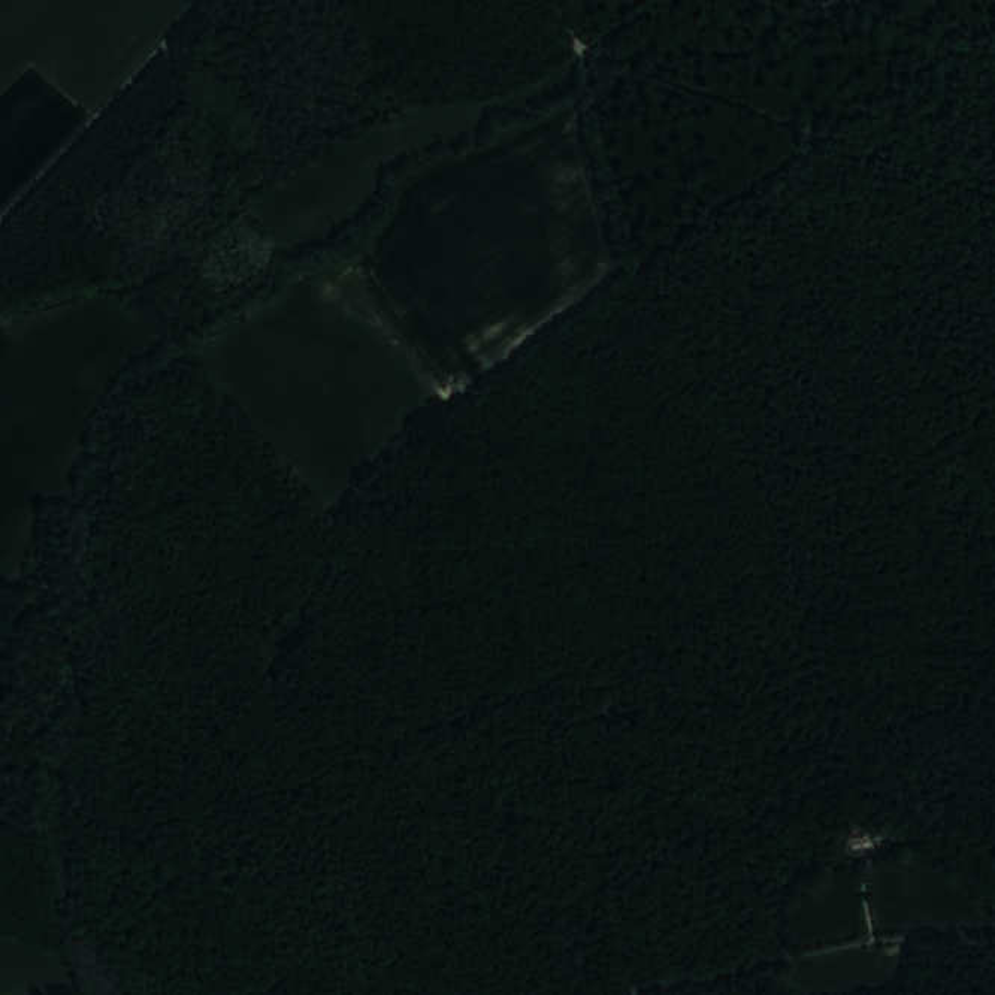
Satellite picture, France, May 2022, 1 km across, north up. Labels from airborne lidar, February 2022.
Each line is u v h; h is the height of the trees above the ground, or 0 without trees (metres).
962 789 27
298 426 0
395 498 18
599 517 19
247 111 19
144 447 23
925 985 25
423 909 23
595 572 20
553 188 0
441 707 21
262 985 20
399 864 23
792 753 27
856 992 0
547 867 22
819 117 30
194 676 24
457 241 0
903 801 27
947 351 26
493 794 27
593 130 21
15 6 0
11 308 14
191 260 9
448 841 24
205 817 24
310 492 15
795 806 25
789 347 27
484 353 0
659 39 13
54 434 0
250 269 7
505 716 22
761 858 25
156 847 23
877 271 28
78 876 25
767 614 23
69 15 0
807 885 26
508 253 0
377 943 23
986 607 22
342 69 21
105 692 24
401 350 0
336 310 0
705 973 23
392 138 0
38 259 14
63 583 25
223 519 23
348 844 23
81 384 0
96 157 15
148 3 0
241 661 24
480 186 0
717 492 22
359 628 24
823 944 9
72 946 24
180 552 22
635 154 14
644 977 23
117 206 20
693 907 23
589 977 23
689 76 14
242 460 22
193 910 28
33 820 23
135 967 23
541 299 0
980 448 20
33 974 0
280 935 25
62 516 30
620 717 24
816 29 29
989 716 26
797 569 20
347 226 14
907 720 23
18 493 0
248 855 26
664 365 25
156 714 24
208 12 18
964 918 0
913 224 26
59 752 25
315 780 21
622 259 19
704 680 26
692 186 29
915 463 21
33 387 0
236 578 22
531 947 21
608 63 33
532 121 19
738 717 24
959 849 23
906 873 0
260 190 14
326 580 21
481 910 23
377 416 0
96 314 0
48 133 0
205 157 14
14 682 29
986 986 29
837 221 21
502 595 19
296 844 22
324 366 0
